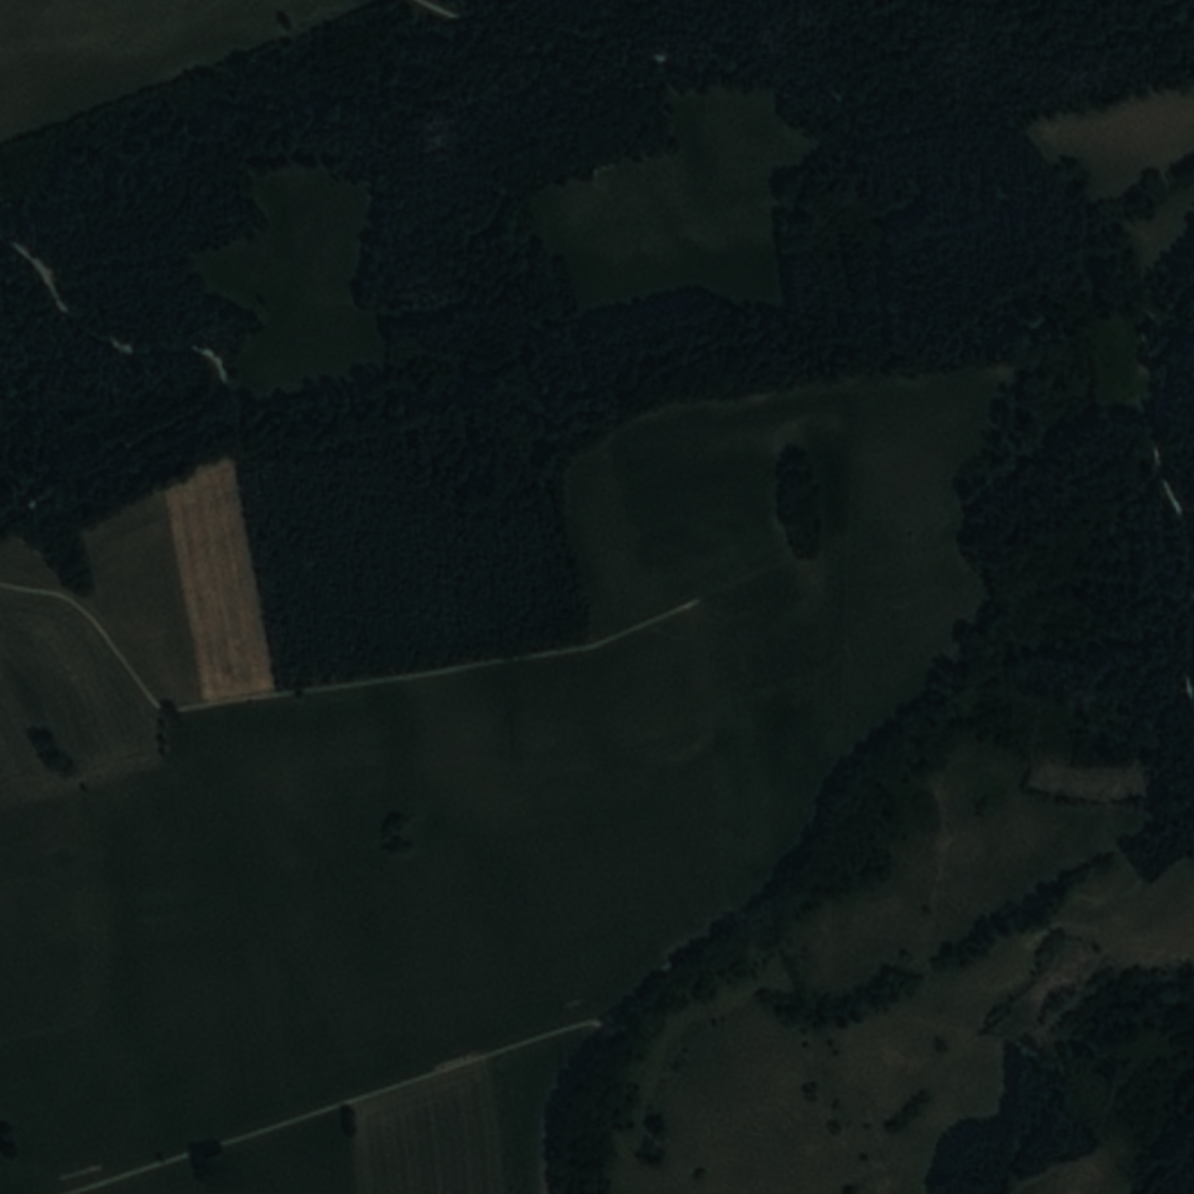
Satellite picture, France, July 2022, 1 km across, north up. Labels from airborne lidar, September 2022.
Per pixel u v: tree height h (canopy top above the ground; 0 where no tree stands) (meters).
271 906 0
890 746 24
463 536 15
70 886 0
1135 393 0
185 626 0
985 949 9
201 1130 0
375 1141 0
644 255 0
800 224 20
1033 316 35
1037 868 0
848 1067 0
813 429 0
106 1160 0
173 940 0
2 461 10
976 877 0
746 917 20
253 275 0
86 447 26
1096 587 17
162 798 0
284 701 0
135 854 0
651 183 0
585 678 0
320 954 0
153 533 0
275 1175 0
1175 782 21
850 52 23
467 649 12
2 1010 0
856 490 0
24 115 0
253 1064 0
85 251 24
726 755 0
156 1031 0
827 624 0
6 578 0
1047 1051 32
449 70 18
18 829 0
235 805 0
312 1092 0
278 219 0
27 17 0
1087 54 15
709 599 0
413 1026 0
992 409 0
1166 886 0
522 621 14
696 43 24
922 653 0
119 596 0
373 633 14
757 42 26
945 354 26
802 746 0
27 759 0
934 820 0
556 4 22
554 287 15
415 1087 0
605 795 0
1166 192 10
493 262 27
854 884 27
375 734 0
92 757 0
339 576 15
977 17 24
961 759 0
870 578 0
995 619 19
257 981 0
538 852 0
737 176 0
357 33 10
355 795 0
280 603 10
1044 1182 0
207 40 0
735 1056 0
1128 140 0
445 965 0
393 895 0
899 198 16
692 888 0
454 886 0
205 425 20
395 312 6
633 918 0
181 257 25
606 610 0
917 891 0
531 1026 0
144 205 23
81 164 20
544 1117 0
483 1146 0
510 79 18
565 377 26
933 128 26
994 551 28
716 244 0
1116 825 0
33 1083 0
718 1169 0
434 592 15
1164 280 18
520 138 19
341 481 18
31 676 0
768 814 0
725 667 0
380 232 19
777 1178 0
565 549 8
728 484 0
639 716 0
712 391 16
